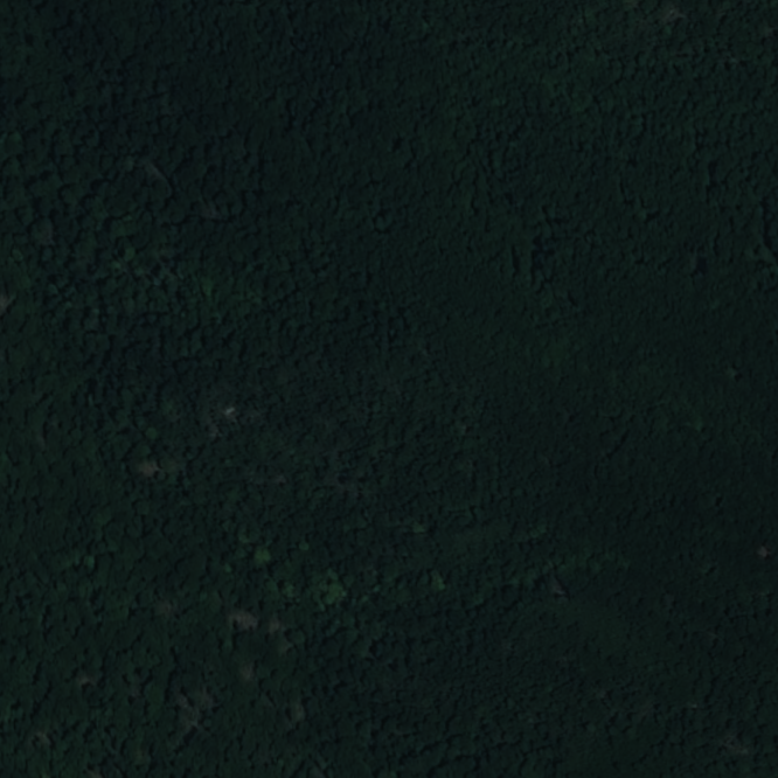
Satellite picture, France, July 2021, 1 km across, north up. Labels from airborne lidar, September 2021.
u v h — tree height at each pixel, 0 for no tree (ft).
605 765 38
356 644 66
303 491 62
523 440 50
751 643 75
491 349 33
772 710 87
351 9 89
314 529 66
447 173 99
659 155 97
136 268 87
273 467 26
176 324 80
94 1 84
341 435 39
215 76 94
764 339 81
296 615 83
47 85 40
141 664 122
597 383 56
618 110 84
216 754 111
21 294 80
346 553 81
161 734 112
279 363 26
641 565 69
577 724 37
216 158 76
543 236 92
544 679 65
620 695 32
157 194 113
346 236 87
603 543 67
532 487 91
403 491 48
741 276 94
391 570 70
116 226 90
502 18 63
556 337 60
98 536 85
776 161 81
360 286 45
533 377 36
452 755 91
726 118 62
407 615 89
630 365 50
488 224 90
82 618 95
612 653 30
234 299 94
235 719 95
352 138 108
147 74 95
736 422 46
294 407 35
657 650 29
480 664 70
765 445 58
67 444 90
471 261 90
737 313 90
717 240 95
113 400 79
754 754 30
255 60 72
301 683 36
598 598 79
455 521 73
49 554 124
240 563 61
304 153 93
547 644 36
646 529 68
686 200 111
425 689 57
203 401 66
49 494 110
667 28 66
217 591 96
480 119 74
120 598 92
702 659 37
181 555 74
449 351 57
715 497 76
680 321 86
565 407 66
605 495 73
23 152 32
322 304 83
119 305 83
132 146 30
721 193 94
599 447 82
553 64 75
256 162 64
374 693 38
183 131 94
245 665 22
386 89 95
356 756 94
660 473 62
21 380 22
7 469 96
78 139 52
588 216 100
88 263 30
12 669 103
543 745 40
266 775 93
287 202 49
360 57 73
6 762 93
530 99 92
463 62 69
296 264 80
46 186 82
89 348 98
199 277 91
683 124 96
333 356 74
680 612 58
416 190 100
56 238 27
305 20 84
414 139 81
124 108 94
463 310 60
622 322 82
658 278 95
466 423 54
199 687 93
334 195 83
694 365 71
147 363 98
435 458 65
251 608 99
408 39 69
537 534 45
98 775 108
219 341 81
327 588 85
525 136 76
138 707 112
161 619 104
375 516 68
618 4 45
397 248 101
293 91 103
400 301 61
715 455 63
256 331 73
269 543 64
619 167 107
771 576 77
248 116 94
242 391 73
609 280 87
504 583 35
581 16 56
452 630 73
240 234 81
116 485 60
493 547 36
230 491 48
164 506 62
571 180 98
